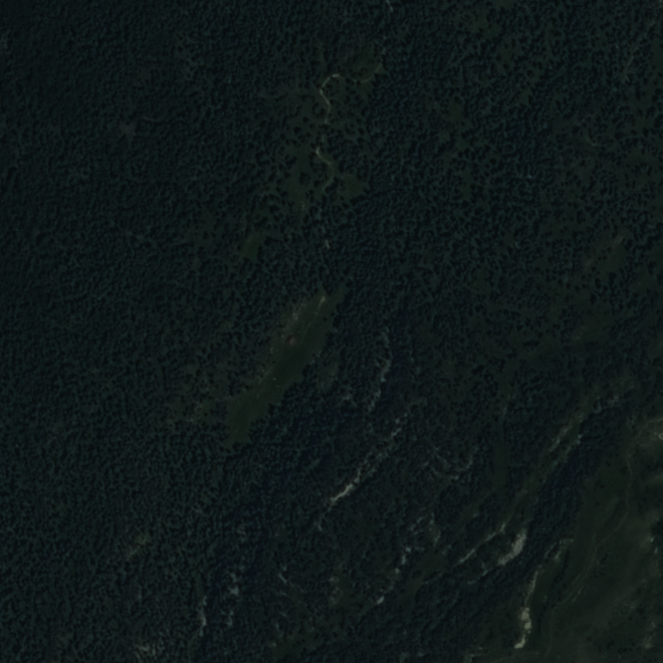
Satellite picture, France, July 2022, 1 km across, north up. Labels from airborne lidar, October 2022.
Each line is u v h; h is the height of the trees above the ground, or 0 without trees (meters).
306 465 11
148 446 10
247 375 10
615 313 8
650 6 5
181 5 18
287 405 20
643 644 0
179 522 15
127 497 14
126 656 7
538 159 10
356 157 13
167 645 13
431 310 8
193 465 17
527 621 0
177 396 8
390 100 16
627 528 0
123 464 10
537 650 0
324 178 10
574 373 5
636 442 0
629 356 7
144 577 9
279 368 0
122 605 8
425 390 7
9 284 10
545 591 0
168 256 8
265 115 9
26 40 14
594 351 6
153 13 15
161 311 11
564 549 0
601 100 10
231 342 12
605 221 6
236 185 11
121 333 11
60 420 7
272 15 12
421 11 11
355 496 10
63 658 6
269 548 9
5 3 18
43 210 14
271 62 11
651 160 0
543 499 6
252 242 0
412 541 7
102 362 6
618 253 0
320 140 8
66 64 17
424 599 6
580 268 6
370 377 9
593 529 0
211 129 13
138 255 14
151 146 8
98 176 8
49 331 13
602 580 0
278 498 9
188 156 11
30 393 10
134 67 8
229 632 9
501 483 0
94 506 9
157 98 8
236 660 9
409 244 19
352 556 6
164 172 10
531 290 10
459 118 0
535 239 6
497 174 9
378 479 7
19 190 12
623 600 0
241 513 7
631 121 11
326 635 6
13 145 10
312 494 7
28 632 8
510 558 0
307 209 0
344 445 8
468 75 14
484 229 16
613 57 10
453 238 16
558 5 18
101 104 7
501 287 9
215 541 14
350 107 7
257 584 9
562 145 8
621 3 7
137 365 9
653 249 15
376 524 8
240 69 20
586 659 0
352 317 15
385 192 21
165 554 8
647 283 0
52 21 14
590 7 7
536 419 6
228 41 19
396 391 8
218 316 10
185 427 11
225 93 17
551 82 13
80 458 17
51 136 9
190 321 8
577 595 0
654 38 11
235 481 7
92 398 8
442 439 7
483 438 9
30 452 12
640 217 11
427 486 6
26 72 14
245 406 0
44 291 13
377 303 10
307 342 0
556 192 10
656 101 12
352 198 0
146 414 9
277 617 8
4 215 10
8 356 10
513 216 13
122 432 9
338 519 5
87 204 11
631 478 0
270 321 12
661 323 6
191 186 8
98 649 8
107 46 15
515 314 9
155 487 13
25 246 9
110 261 10
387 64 18
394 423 8
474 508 0
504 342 7
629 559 0
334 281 23
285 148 13
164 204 15
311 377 10
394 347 9
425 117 9
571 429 0
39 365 11
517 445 5
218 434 13
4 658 8
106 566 10
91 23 17
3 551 11
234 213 7
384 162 13
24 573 10
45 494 13
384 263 18
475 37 11
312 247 12
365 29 10
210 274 8
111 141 10
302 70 7
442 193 10
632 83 9
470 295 8
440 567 0
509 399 0
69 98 19
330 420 8
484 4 14
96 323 12
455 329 7
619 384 0
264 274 17
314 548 6
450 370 0
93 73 14
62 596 6
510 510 0
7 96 19
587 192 13
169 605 9
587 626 0
